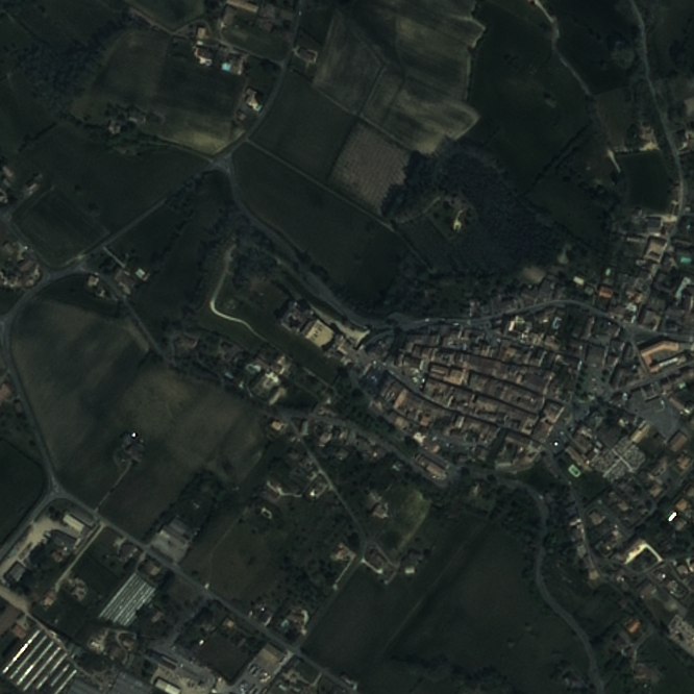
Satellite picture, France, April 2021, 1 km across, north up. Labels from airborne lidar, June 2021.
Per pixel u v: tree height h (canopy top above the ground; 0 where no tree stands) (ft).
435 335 0
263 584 0
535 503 45
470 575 0
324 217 0
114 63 0
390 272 0
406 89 0
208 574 0
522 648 0
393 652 0
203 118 0
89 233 0
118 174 0
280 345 0
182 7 0
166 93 0
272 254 54
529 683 0
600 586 0
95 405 0
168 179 0
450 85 0
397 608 0
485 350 0
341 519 19
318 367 0
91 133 36
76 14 0
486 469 27
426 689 0
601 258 20
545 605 19
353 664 0
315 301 0
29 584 52
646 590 0
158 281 0
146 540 27
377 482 24
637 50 22
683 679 0
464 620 0
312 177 0
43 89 35
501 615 0
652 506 18
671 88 50
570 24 0
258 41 0
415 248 55
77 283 0
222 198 0
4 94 0
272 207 0
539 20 0
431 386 0
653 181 0
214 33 0
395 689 0
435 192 34
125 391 0
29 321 0
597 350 0
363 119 0
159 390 0
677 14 0
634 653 0
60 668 0
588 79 0
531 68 0
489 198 41
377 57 0
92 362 0
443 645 0
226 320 0
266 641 18
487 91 0
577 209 0
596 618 0
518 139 0
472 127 0
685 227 41
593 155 0
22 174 0
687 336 0
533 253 44
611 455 0
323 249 0
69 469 0
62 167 0
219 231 34
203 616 44
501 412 0
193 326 37
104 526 0
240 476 0
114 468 0
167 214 0
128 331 0
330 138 0
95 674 0
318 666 0
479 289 29
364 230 0
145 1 0
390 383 0
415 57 0
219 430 0
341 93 0
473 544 0
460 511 32
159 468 0
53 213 0
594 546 18
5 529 0
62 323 0
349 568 0
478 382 0
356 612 0
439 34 0
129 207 0
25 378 0
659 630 22
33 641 0
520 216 41
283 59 0
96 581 0
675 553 18
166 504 0
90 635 0
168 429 0
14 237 0
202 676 0
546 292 0
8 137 0
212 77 0
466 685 66
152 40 0
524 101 0
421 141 0
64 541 0
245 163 0
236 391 32
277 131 0
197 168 0
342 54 0
